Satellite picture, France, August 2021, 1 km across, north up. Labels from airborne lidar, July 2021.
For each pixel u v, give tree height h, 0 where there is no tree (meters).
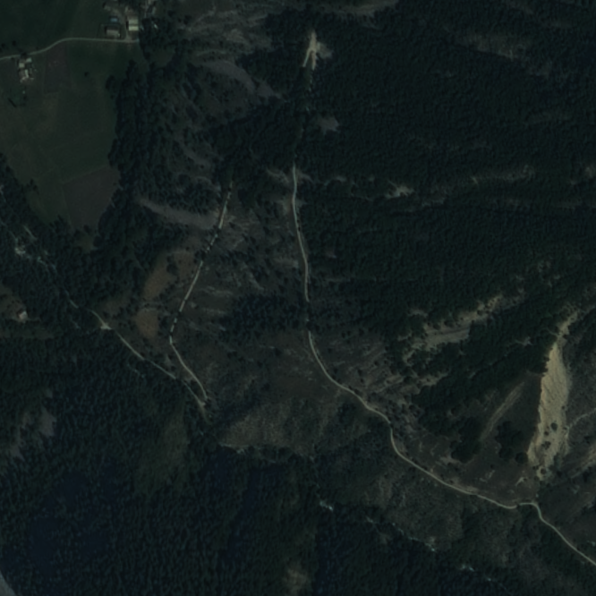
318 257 10
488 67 13
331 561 19
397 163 13
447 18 9
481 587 27
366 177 6
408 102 8
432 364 11
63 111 0
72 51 0
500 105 12
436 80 13
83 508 23
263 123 22
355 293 8
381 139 10
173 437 7
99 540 9
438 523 6
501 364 12
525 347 6
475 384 14
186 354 11
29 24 0
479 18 11
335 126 0
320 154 12
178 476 9
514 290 6
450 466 8
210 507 12
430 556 18
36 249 19
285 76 18
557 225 14
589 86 9
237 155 12
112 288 14
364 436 7
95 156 0
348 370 0
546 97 9
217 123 16
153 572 17
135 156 19
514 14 12
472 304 8
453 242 9
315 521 9
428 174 8
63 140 0
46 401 6
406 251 12
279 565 18
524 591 7
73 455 9
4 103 0
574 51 14
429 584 31
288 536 20
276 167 7
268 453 15
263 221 15
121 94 14
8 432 13
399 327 13
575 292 6
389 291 20
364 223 8
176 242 11
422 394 8
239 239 0
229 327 14
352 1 15
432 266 10
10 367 17
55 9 0
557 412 0
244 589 19
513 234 7
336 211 9
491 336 9
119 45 0
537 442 0
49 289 18
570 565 6
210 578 12
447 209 16
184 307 0
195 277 0
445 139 9
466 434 16
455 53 16
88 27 0
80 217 0
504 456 13
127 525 18
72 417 24
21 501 14
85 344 17
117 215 22
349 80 12
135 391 12
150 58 22
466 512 12
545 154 15
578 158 8
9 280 22
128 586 18
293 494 9
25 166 0
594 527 0
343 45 12
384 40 13
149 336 0
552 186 7
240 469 18
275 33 6
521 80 11
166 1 14
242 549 18
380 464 6
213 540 26
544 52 8
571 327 11
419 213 7
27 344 7
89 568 28
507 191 8
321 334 12
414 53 7
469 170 9
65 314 20
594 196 9
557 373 0
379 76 12
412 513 7
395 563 29
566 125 13
